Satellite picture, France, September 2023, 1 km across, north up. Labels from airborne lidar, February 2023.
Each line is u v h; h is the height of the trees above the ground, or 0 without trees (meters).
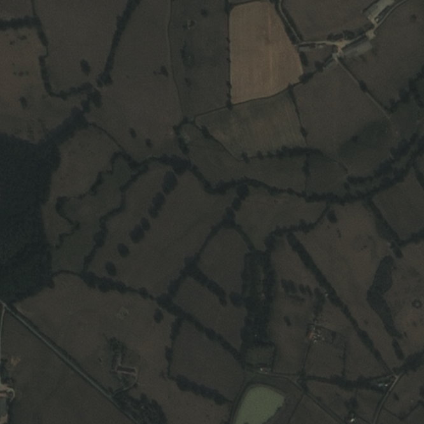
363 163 0
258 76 0
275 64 0
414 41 0
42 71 12
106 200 0
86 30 0
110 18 0
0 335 0
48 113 0
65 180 0
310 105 0
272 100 0
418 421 0
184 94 0
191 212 0
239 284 0
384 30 0
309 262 19
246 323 15
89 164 0
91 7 0
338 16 0
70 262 0
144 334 0
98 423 0
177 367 0
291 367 0
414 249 0
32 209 6
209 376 0
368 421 0
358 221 0
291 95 21
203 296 0
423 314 0
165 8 0
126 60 0
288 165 0
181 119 0
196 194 0
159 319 8
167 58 0
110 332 0
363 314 0
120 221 0
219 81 0
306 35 0
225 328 0
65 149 0
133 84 0
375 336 0
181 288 0
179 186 0
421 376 0
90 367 0
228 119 0
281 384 0
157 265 0
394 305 0
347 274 0
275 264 0
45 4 0
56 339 0
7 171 16
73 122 19
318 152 13
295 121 0
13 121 0
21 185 24
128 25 0
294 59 0
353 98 0
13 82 0
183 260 0
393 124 0
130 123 0
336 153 0
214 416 0
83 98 0
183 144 13
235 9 0
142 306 0
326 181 0
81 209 0
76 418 0
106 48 0
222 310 0
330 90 0
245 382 0
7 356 0
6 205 25
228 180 0
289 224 0
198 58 0
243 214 0
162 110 0
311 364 0
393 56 0
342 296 0
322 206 0
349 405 10
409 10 0
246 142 0
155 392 0
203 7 0
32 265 7
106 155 0
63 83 0
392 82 0
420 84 0
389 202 0
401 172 10
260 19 0
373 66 0
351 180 13
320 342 0
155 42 0
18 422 0
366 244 0
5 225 14
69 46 0
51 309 0
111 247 0
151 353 0
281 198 0
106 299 0
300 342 0
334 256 0
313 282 0
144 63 0
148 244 0
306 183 0
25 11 0
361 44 0
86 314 0
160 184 0
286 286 20
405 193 0
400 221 0
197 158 0
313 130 0
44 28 0
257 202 0
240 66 0
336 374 0
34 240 22
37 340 0
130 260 0
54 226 0
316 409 0
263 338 20
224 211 0
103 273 0
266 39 0
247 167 0
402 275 0
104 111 0
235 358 6
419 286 0
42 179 25
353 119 0
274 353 8
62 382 0
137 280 0
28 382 0
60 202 12
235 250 0
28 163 15
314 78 0
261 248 0
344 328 0
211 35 0
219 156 0
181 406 0
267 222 0
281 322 0
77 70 0
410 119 0
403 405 0
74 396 0
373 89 0
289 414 0
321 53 0
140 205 0
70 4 0
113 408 0
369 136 0
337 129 0
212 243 0
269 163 0
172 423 0
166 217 0
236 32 0
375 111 0
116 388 0
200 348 0
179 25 0
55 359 0
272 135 0
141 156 0
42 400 0
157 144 0
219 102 0
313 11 0
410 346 0
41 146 17
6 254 23
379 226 0
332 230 0
